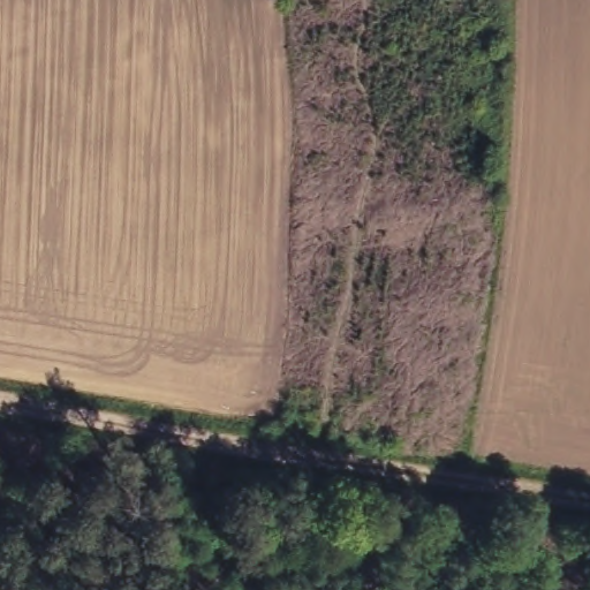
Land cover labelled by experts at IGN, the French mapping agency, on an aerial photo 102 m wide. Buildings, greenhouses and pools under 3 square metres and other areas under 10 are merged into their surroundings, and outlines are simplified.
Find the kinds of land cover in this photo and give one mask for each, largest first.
<instances>
[{"label":"agricultural land","instance_id":"1","mask_svg":"<svg viewBox=\"0 0 590 590\"><path fill-rule=\"evenodd\" d=\"M295 9L293 0H0V378L35 385L65 383L76 392L97 394L120 396L159 408L173 410L207 413L221 417H254L260 410L267 413L272 408V401L279 399L281 385V350L286 341V330L279 325V320L283 318V311L288 307V290L286 249H281V210L288 205V173L293 159L290 90L283 53V14H290ZM516 74L512 99V171L507 191L509 205L505 214V235L491 350L486 360L479 408L470 454L477 459L500 454L512 463L551 468H572L590 475V0H519L514 53Z\"/></svg>","mask_w":590,"mask_h":590},{"label":"bare soil","instance_id":"2","mask_svg":"<svg viewBox=\"0 0 590 590\"><path fill-rule=\"evenodd\" d=\"M295 9L290 14H283V53L290 90L293 159L288 173V205L281 210V249H286L288 290V307L283 311V318L279 320V325L286 330V341L281 350V385L286 380L320 385L330 387L332 392L346 389L348 378H355L360 385H369V357L373 348H383L387 364L396 369V378L383 383V387L362 403H343L341 415L346 417L343 429L389 426L396 433V440L403 447V452L413 454V445H419V454L438 456H447L454 452L463 436L461 422L466 417L468 406L479 408L486 360L491 350L505 235L496 233L493 228L496 203L484 201V189L479 184H472L468 191L461 194L456 203L445 198L443 205L436 207L406 205V191H410V182L406 177H399L394 168L401 161V154L392 150L385 159L376 157L380 138L373 134L371 106L366 97L369 92L360 81L362 67H371L373 60L360 51L357 44H339L332 32L323 37V41H304V35L311 25L353 23L355 9H366L369 0H293ZM360 251L376 254L373 267H380L383 258L389 256L385 302H378V290L371 286L353 288V281L357 277L355 258Z\"/></svg>","mask_w":590,"mask_h":590},{"label":"herbaceous vegetation","instance_id":"3","mask_svg":"<svg viewBox=\"0 0 590 590\"><path fill-rule=\"evenodd\" d=\"M519 0H369L366 9H355L353 23L311 25L304 35V41H323V37L332 32L339 44H357L360 51L373 60L371 67H362L360 81L369 92L366 97L371 106L373 134L380 138L376 157L385 159L392 150L401 154V161L394 168L399 177H406L410 182V191H406V205L436 207L443 205L445 198L456 203L461 194L468 191L472 184H479L484 189V201L496 203L507 191L512 171V99L516 74L514 53ZM484 28H498L502 32V39L493 41L489 51L479 48L477 35ZM466 124L482 127L484 134L491 138V150L484 164V177L477 182L468 180L463 173H454L452 168L449 145L452 138H456ZM376 254L360 251L355 258L357 277L353 281V288L371 286L378 290V302H385L389 256L383 258L380 267H373ZM396 378V369L387 364L383 348H373L369 357V385H360L355 378H348L346 389L332 392L330 387L320 385V436H311L307 429H300L295 424L279 436L290 447L316 445V449L327 452L330 456H339L350 449L346 443L348 436L383 443L396 440V433L389 426L343 429L346 417L341 415L343 403H362L383 387V383ZM99 410L127 415L129 419H150L159 408L120 396L97 394ZM479 408L468 406L466 417L461 422L463 436L454 452L470 454ZM173 422L182 424V429L207 431L210 436L217 433L219 438H224L226 433H233L235 438L249 436V417H221L207 413L173 410ZM419 445H413V454L403 452L401 459L394 463V468L406 466L413 470L417 468V463L433 468L438 456L419 454ZM551 468L512 463V472L516 479H532L544 484Z\"/></svg>","mask_w":590,"mask_h":590},{"label":"coniferous trees","instance_id":"4","mask_svg":"<svg viewBox=\"0 0 590 590\"><path fill-rule=\"evenodd\" d=\"M177 466L173 452L164 445L157 443L148 449L141 443H134L131 433L113 429L74 426L67 419L41 422L37 426V436L28 445H18L12 433H5L0 429V590H194L189 585L187 567L201 562L191 555H184L177 542V532L164 530L157 521L164 519L161 500L157 496L164 491L161 477L175 470ZM505 498V491L498 486H479L477 482L449 479L436 493H431V500L438 507L445 505L454 512L461 532L482 551L491 549V521L496 516V505ZM256 491H242V486L233 484L219 500V525L226 532L235 535L247 532L251 528L249 496H254ZM546 535L555 544L581 546V555L562 567V581L558 590H590V535L583 539L576 530L560 528L549 519Z\"/></svg>","mask_w":590,"mask_h":590},{"label":"deciduous trees","instance_id":"5","mask_svg":"<svg viewBox=\"0 0 590 590\"><path fill-rule=\"evenodd\" d=\"M164 491L157 496L161 500L164 519L157 521L164 530L177 532V542L184 555H191L201 562L187 567L189 585L194 590H558L562 581V567L581 555V546L555 544L546 535L549 519V507L542 500V493L519 491L516 479L512 472L498 486L505 491V498L496 505V516L491 521V549L482 551L461 532L454 512L445 505L438 507L433 514L424 516L419 509L401 507L394 498L383 496L378 489L357 491L343 479L323 489L320 493H313L311 498L307 496V482H297L293 486V493L283 496L281 500H277L270 491H256L254 496H249L251 528L247 532L235 535L226 532L219 525V532L214 535L198 519L175 470L161 477Z\"/></svg>","mask_w":590,"mask_h":590},{"label":"pervious surface","instance_id":"6","mask_svg":"<svg viewBox=\"0 0 590 590\"><path fill-rule=\"evenodd\" d=\"M67 419L74 426L113 429L131 433L134 443H141L148 449L157 443L164 445L173 452L177 466L175 470L198 519L214 535L219 532V500L233 484L242 486V491H270L277 500H281L283 496L293 493V486L297 482H307V496L311 498L313 493H320L323 489L343 479L357 491L378 489L383 496L394 498L401 507L419 509L424 516L433 514L438 507L431 500V493H436L449 479L477 482L479 486H498L512 472V463L500 454L477 459L470 454L454 452L447 456H438L433 468L417 463V468L413 470L406 466L394 468V463L357 456L350 449L339 456H330L327 452L316 449V445L290 447L279 436H249L235 438L233 433H226L224 438H219L217 433L210 436L207 431L182 429V424L173 422V410L159 408L150 419H129L127 415L99 410L97 394L76 392L65 383L35 385L0 378V429L5 433H12L18 445H28L37 436V426L41 422ZM519 491L542 493V500L549 507V519L560 528L576 530L583 539L590 535V475L572 468H551L544 484L532 479H516Z\"/></svg>","mask_w":590,"mask_h":590},{"label":"brushwood","instance_id":"7","mask_svg":"<svg viewBox=\"0 0 590 590\"><path fill-rule=\"evenodd\" d=\"M479 48L489 51L493 41L502 39V32L498 28H484L477 35ZM491 150V138L484 134L482 127L466 124L456 138H452L449 145L452 168L454 173H463L468 180L477 182L484 177V164ZM509 205L507 191L496 203L493 228L496 233L505 235V214ZM320 385L286 380L281 385L279 399L272 401V408L267 413L260 410L254 417H249V436H279L295 424L300 429H307L311 436H320ZM346 443L350 449L357 456L394 463L401 459L403 452V447L396 440L383 443L348 436Z\"/></svg>","mask_w":590,"mask_h":590}]
</instances>
